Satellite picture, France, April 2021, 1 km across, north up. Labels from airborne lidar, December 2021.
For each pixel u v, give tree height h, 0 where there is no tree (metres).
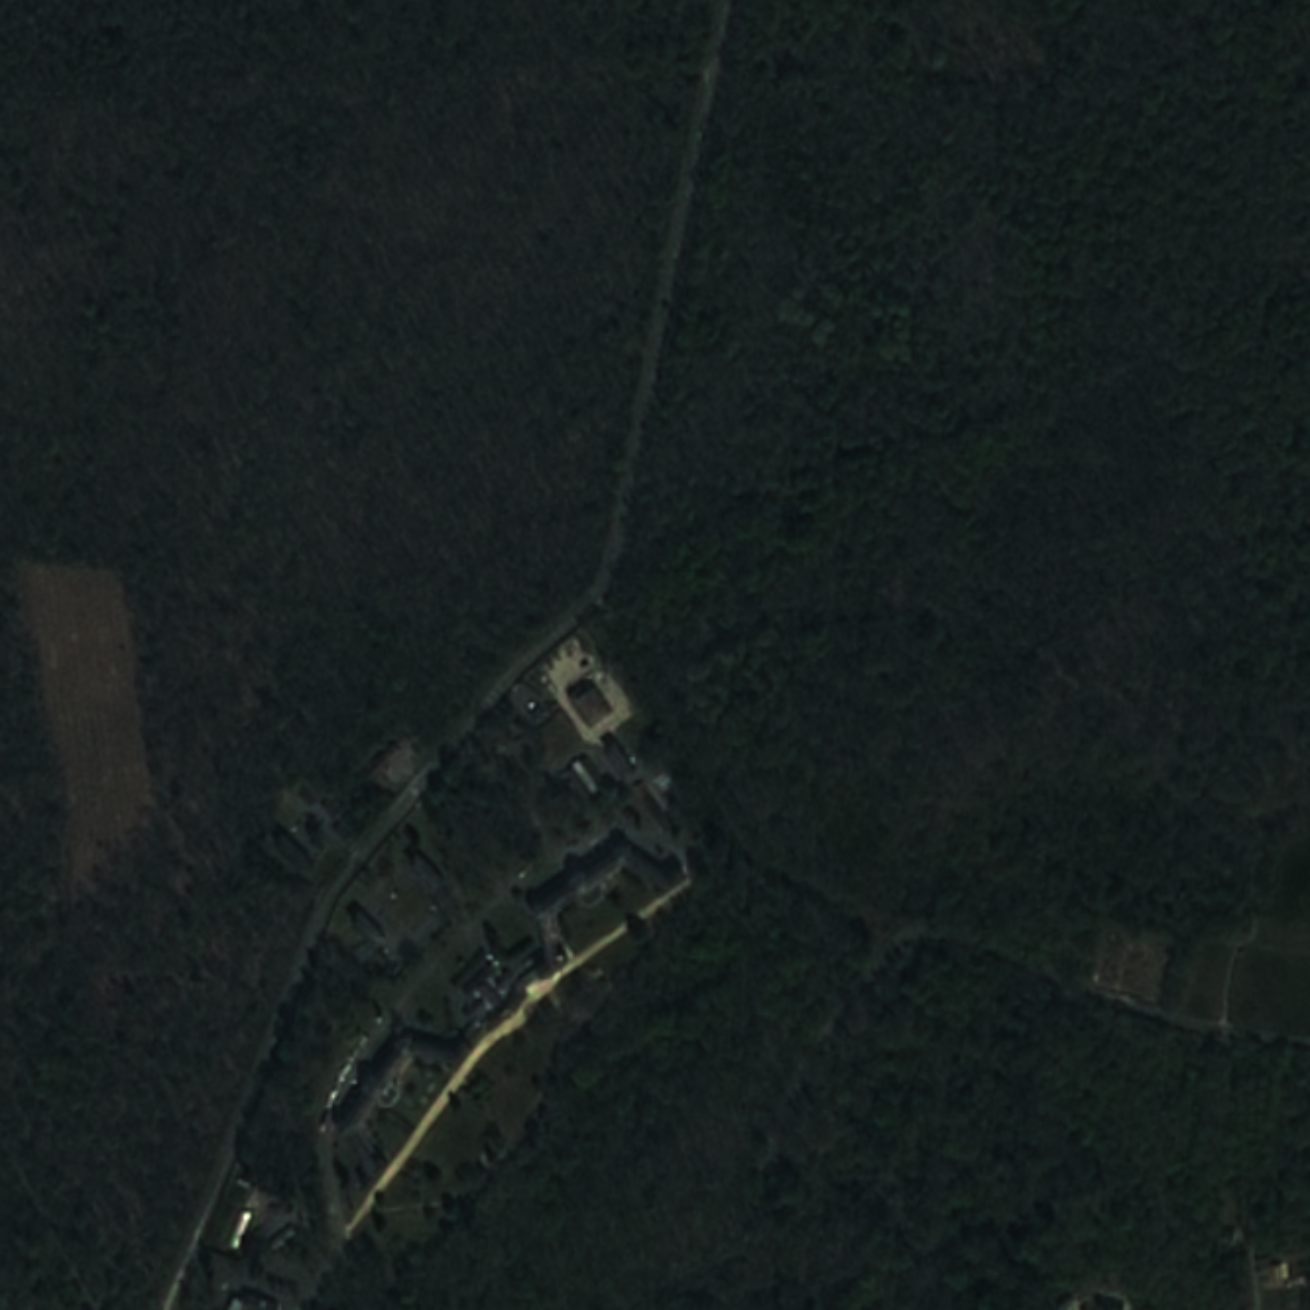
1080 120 18
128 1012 19
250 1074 7
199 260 20
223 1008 21
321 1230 16
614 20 19
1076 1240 30
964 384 21
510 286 26
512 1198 22
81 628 0
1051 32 16
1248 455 19
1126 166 12
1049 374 21
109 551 17
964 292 18
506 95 21
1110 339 14
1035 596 18
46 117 18
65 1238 21
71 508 16
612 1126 25
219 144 15
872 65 21
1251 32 21
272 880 20
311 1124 15
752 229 22
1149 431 17
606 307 24
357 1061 0
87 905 18
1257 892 15
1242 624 16
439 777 9
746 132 20
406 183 19
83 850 0
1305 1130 30
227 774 27
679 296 16
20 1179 20
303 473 24
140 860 19
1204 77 21
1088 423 16
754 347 19
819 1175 11
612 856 0
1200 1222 25
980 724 22
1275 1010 0
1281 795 31
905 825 29
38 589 0
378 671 19
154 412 20
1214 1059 19
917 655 18
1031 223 23
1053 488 16
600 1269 24
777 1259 25
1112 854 16
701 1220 26
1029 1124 26
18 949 15
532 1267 27
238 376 26
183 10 16
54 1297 17
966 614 21
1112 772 15
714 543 23
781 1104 23
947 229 17
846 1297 32
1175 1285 21
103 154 21
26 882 11
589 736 0
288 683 22
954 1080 28
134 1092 19
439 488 27
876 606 14
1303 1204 25
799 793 29
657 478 18
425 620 23
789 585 28
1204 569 16
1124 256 22
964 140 14
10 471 21
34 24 13
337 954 19
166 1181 20
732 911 27
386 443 25
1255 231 15
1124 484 16
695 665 30
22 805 8
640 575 20
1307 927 0
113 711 0
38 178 18
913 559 20
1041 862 19
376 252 7
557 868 0
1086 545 15
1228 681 19
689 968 22
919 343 20
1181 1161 18
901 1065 24
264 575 23
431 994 0
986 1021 23
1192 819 21
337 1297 11
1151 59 20
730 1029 28
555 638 0
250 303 21
